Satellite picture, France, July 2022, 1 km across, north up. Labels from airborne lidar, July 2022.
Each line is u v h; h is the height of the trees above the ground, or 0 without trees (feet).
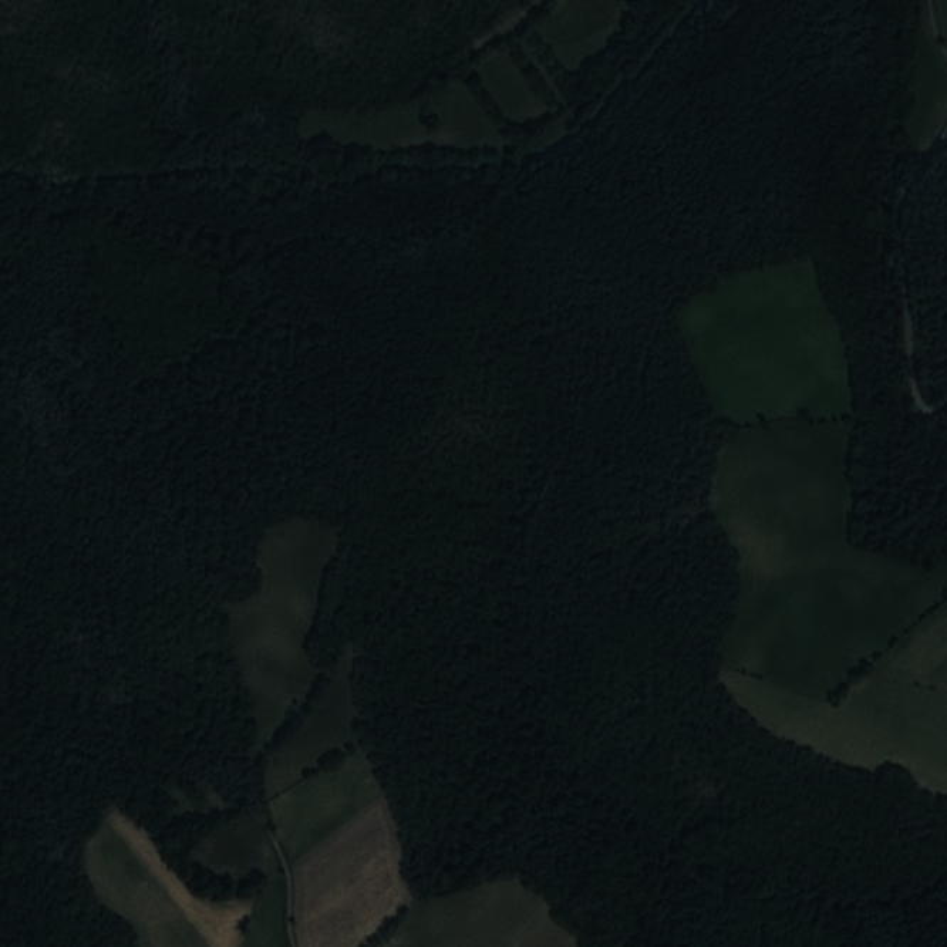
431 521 71
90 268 59
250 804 49
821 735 0
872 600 0
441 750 73
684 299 38
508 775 59
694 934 90
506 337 65
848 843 53
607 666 60
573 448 73
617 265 44
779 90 62
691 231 67
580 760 54
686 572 67
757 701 0
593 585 56
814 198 60
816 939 61
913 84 32
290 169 66
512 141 65
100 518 56
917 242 63
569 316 48
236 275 94
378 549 57
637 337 44
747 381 0
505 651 78
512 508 79
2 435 60
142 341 40
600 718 37
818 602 0
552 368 65
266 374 73
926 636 0
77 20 71
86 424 58
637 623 58
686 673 46
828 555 0
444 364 48
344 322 82
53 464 59
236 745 34
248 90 71
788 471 0
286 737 51
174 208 67
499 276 83
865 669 49
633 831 69
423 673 85
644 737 31
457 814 86
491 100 60
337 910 0
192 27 41
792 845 56
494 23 50
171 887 0
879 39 72
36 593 67
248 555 47
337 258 70
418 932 0
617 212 74
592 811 83
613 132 83
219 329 23
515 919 0
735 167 57
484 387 48
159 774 64
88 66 31
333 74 61
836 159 84
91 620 30
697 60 74
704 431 27
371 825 0
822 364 0
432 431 20
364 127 0
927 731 0
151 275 30
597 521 51
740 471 0
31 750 55
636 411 55
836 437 0
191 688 43
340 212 64
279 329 75
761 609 0
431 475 59
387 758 51
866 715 0
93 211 82
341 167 65
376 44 39
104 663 28
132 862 0
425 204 52
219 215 70
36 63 62
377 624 64
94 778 49
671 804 46
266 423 71
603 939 66
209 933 0
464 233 44
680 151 56
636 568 66
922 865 43
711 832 73
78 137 55
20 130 66
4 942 92
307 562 0
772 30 76
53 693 57
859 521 66
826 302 40
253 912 0
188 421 96
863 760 0
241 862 0
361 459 52
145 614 38
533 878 60
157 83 73
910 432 64
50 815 19
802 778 51
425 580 62
